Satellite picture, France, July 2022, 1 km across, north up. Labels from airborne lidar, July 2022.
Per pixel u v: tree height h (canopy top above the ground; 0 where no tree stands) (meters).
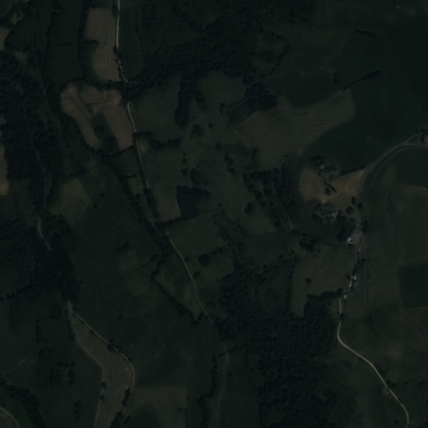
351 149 0
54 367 13
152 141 13
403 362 0
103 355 0
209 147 0
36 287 21
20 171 14
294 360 10
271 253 0
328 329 6
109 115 0
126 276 0
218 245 0
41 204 20
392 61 0
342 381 0
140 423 0
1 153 0
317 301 17
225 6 13
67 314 14
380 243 0
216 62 10
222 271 0
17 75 19
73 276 21
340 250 0
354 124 0
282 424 14
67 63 0
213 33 11
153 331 0
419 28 0
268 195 19
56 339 0
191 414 0
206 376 0
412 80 0
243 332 25
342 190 0
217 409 0
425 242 0
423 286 0
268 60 17
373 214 0
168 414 0
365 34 16
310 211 0
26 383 0
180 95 13
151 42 0
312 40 0
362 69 0
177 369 0
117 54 13
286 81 0
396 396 0
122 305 0
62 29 0
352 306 0
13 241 14
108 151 0
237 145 0
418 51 0
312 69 0
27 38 0
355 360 0
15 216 0
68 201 0
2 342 0
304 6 5
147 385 0
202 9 0
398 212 0
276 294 0
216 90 0
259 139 0
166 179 0
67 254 25
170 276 0
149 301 0
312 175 0
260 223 0
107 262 0
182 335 0
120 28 0
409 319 0
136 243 0
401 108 0
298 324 13
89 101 0
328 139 0
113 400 0
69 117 9
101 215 0
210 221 0
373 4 0
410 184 0
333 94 0
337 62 0
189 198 27
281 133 0
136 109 0
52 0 9
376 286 0
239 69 22
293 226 0
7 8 0
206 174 0
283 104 0
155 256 6
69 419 0
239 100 0
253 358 0
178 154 0
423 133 9
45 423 11
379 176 0
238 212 0
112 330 0
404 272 0
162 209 0
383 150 0
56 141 25
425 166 0
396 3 0
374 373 0
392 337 0
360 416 0
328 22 0
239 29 7
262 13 9
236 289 14
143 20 0
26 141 25
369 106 0
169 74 12
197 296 0
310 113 0
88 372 0
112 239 0
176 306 7
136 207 14
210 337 0
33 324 0
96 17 0
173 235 0
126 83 6
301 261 0
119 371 0
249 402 0
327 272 0
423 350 0
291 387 18
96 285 0
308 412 25
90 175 0
